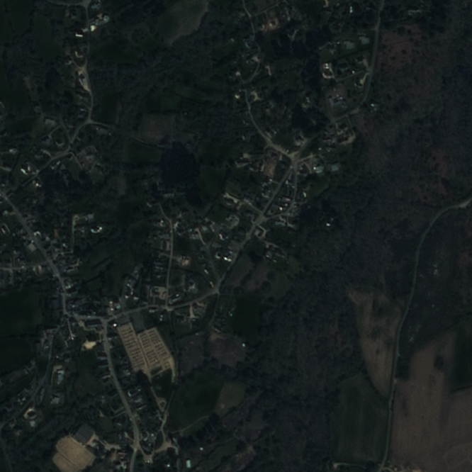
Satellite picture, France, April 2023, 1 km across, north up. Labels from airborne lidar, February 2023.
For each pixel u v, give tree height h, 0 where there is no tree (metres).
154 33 8
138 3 22
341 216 15
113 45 0
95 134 10
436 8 16
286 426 22
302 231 10
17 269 0
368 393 0
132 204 0
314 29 8
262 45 8
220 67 10
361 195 22
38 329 8
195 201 22
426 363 0
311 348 11
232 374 14
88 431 0
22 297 0
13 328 0
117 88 12
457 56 20
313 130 13
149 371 0
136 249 9
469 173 19
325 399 22
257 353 12
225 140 8
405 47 0
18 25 0
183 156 26
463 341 0
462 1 15
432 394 0
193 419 0
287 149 0
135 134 11
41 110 0
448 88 18
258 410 13
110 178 7
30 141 12
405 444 0
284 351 20
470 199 0
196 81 0
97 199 16
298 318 25
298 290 11
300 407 26
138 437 0
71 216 10
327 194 7
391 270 7
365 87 0
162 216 0
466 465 0
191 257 0
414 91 6
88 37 10
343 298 17
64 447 0
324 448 16
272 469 10
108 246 8
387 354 0
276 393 20
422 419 0
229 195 0
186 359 0
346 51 0
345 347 7
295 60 0
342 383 12
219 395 0
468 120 21
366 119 10
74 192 11
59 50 0
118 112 0
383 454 0
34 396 0
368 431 0
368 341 0
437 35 12
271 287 13
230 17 10
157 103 0
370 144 14
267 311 18
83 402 11
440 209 8
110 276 0
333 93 0
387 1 12
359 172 17
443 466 0
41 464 14
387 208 9
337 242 25
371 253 21
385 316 0
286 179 0
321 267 24
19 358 0
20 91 0
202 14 0
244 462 0
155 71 12
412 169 11
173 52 6
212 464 0
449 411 0
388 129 16
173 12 0
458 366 0
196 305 6
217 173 0
